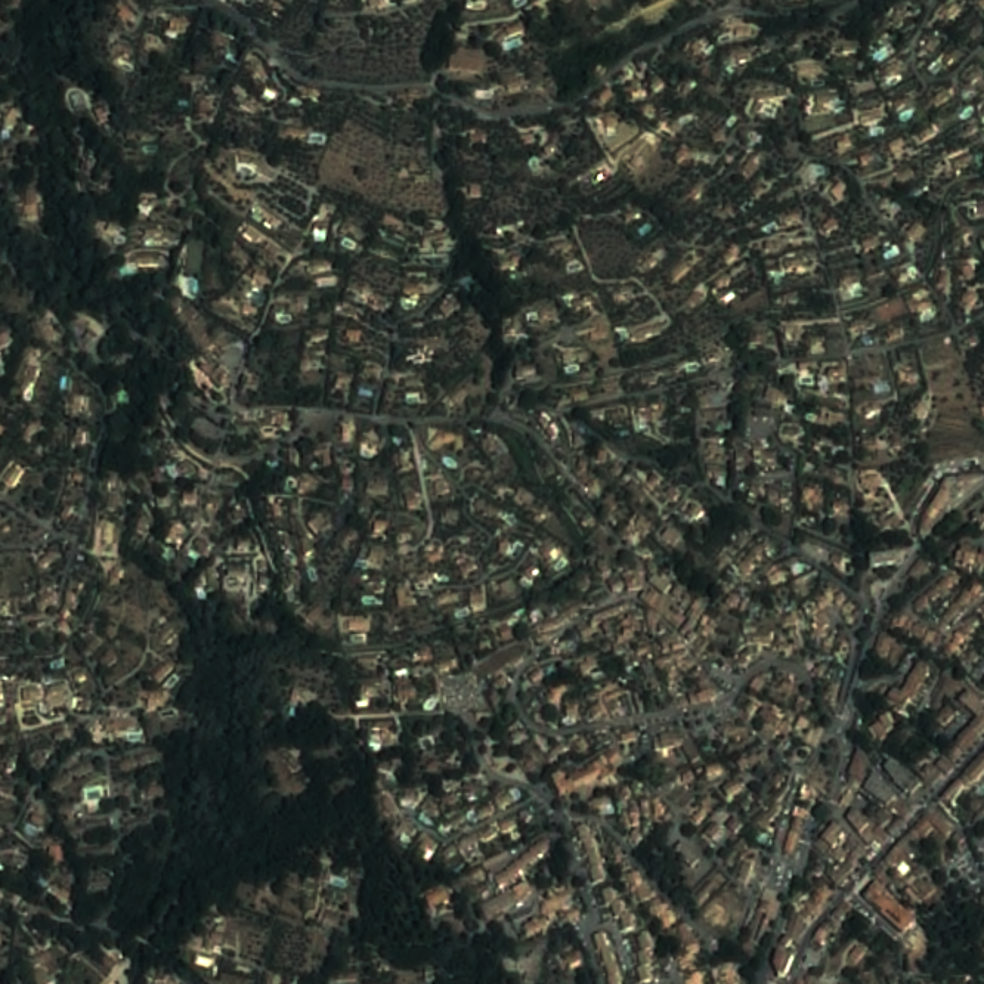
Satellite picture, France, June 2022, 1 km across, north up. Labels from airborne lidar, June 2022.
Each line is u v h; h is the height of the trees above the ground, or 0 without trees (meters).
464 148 13
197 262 0
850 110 8
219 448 9
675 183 5
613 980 0
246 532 6
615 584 0
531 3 8
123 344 17
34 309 8
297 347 6
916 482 7
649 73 7
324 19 12
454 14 16
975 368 7
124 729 0
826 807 9
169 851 23
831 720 11
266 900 6
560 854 12
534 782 9
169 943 15
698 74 7
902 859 0
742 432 14
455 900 14
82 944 17
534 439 10
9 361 13
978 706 0
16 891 10
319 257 16
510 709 11
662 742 0
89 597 6
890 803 0
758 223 6
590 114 11
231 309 0
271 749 18
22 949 6
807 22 17
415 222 9
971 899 8
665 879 15
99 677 11
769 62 6
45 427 11
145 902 22
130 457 22
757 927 0
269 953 10
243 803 16
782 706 7
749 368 16
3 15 9
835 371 0
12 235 6
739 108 6
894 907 0
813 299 5
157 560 11
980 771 0
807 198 6
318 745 17
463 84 10
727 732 0
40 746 6
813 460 7
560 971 10
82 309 18
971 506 6
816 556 0
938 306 7
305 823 15
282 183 6
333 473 7
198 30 9
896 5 7
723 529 7
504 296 18
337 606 10
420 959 16
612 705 0
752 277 7
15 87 11
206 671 15
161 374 14
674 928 8
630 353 8
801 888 9
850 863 0
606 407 7
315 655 21
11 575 0
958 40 14
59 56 18
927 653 9
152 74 17
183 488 13
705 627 0
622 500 8
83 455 11
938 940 11
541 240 11
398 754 16
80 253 15
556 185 6
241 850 14
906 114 0
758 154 6
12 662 8
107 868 11
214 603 22
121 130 14
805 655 7
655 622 0
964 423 0
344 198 7
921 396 7
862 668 7
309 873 15
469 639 8
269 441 6
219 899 16
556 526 0
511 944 13
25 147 14
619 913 0
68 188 15
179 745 17
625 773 11
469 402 6
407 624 6
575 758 9
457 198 17
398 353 12
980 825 13
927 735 9
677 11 11
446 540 7
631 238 9
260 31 7
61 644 11
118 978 0
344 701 6
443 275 6
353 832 11
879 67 5
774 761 13
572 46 0
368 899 18
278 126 8
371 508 6
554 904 0
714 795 7
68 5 25
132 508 12
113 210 19
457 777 12
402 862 7
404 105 7
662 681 8
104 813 6
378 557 0
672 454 16
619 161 0
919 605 0
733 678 0
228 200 8
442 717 9
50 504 14
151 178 9
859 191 8
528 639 14
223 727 21
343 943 17
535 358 7
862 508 8
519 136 7
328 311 6
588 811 9
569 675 12
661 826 15
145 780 14
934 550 11
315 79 20
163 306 17
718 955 10
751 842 10
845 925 9
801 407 7
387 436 9
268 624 19
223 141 6
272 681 22
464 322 8
